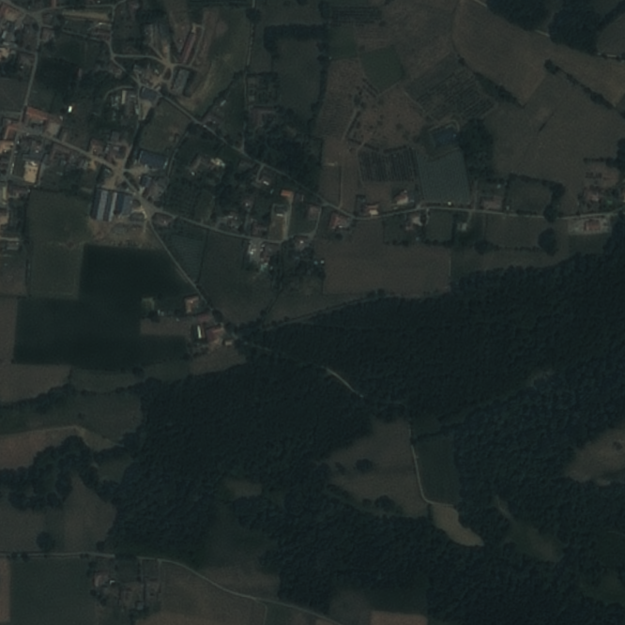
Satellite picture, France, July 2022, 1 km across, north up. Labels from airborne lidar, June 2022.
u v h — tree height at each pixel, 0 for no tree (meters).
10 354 0
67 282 0
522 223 0
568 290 18
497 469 24
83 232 0
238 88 0
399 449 0
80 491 0
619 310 16
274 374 16
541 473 19
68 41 0
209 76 0
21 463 0
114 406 0
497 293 15
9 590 0
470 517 20
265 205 0
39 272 0
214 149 8
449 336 16
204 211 0
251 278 0
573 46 17
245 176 10
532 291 17
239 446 12
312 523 12
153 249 0
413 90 0
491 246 16
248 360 9
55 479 0
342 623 0
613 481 0
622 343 25
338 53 0
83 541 0
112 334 0
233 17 0
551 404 12
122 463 0
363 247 0
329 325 11
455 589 30
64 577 0
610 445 0
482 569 23
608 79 0
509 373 13
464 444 24
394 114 0
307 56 0
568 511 24
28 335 0
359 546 18
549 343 16
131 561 11
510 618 19
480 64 0
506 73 0
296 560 16
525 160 0
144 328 0
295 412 13
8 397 0
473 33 0
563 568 24
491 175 6
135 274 0
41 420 0
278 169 9
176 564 0
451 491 0
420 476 0
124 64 7
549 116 0
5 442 0
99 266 0
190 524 29
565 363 14
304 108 0
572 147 0
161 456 14
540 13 28
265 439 11
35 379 0
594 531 19
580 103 0
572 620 23
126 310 0
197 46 0
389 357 13
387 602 0
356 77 0
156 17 7
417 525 18
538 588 23
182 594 0
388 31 0
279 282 6
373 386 15
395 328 12
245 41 0
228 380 16
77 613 0
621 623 28
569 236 0
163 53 0
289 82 0
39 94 0
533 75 0
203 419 11
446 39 0
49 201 0
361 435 16
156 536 20
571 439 24
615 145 0
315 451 16
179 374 0
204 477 14
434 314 14
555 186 12
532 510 20
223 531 0
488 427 28
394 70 0
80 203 0
